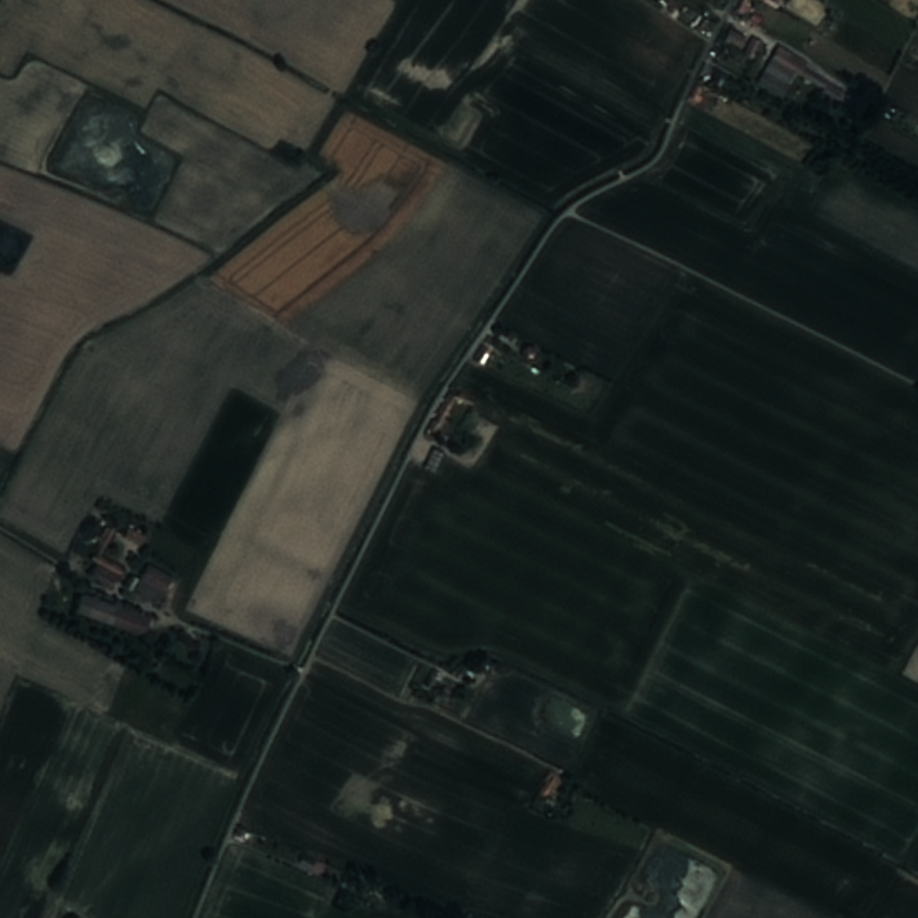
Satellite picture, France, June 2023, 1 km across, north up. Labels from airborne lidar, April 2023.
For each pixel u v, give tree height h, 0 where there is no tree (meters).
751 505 0
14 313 0
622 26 0
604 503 0
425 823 0
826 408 0
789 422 0
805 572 0
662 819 0
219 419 0
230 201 0
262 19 0
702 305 0
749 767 0
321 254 0
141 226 0
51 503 0
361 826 0
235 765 0
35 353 0
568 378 9
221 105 0
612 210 0
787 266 0
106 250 0
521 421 0
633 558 0
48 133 0
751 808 0
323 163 0
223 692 0
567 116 0
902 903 0
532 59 0
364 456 0
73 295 0
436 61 0
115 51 0
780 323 0
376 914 0
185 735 0
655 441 0
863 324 0
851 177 0
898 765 0
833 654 0
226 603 0
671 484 0
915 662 0
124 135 0
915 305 0
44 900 0
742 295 0
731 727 0
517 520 0
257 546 0
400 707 0
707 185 0
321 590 0
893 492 0
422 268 0
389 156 0
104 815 0
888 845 0
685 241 0
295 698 0
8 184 0
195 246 0
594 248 0
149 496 0
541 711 0
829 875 0
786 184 0
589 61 0
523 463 0
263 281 0
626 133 0
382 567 0
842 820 0
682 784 0
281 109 0
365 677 0
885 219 0
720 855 0
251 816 0
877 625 0
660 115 0
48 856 0
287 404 0
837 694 0
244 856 0
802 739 0
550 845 0
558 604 0
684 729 0
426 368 0
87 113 0
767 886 0
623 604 0
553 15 0
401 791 0
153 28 0
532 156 0
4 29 0
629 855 0
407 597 0
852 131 6
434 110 0
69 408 0
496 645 0
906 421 0
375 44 13
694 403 0
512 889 0
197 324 0
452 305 0
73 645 0
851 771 0
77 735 0
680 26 0
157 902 0
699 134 0
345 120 0
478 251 0
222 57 0
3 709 0
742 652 0
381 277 0
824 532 0
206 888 0
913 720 0
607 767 0
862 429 0
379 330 0
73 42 0
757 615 0
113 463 0
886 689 0
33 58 0
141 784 0
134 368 0
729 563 0
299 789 0
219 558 0
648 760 0
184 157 0
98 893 0
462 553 0
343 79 0
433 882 0
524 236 0
